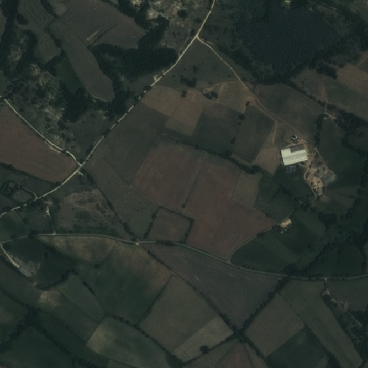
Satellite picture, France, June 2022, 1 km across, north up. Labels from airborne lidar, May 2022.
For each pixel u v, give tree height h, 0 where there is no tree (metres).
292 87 6
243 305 0
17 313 0
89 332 0
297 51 19
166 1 0
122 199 0
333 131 0
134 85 0
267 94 0
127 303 0
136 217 0
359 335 7
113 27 0
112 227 0
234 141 9
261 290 0
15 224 0
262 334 0
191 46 0
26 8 0
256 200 0
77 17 0
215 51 0
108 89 0
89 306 0
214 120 0
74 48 0
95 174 0
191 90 0
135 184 0
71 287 0
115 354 0
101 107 6
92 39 0
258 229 0
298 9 19
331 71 15
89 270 0
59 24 0
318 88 0
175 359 11
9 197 11
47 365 0
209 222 0
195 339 0
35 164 0
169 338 0
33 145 0
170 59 15
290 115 0
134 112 0
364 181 14
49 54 0
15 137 0
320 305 0
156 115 0
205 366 0
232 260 0
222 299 0
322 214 12
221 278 0
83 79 0
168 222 0
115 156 0
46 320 0
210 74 0
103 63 12
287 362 0
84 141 0
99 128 0
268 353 0
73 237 0
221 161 0
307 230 0
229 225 0
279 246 0
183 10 7
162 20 12
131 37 0
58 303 0
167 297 0
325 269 0
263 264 0
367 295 0
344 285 0
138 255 0
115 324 0
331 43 16
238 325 0
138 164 0
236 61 9
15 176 0
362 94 0
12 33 10
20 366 0
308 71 0
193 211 0
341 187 0
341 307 0
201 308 0
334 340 0
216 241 0
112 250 0
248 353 0
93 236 0
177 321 0
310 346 0
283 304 0
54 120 0
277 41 18
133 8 8
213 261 0
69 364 0
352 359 0
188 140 0
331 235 0
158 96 0
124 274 0
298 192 0
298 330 0
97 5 0
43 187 0
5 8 16
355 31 7
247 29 19
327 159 0
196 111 0
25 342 0
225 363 0
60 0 0
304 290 0
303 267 0
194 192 0
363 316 10
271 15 17
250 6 6
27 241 0
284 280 11
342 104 0
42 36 0
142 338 0
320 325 0
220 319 0
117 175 0
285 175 0
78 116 7
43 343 0
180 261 0
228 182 0
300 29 19
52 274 0
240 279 0
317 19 20
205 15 0
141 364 0
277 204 0
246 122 0
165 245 8
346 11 7
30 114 0
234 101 0
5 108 0
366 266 13
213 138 0
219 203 0
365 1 0
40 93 11
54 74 11
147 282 0
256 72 8
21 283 0
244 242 0
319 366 0
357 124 9
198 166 0
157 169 0
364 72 0
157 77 0
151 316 0
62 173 0
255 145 0
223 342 13
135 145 0
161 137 0
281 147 0
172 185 0
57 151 0
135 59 16
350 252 0
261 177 0
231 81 0
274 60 19
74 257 0
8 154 0
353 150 9
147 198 0
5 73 9
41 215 0
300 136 0
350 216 19
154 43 8
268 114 0
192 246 0
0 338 0
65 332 0
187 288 0
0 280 0
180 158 0
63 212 0
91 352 0
